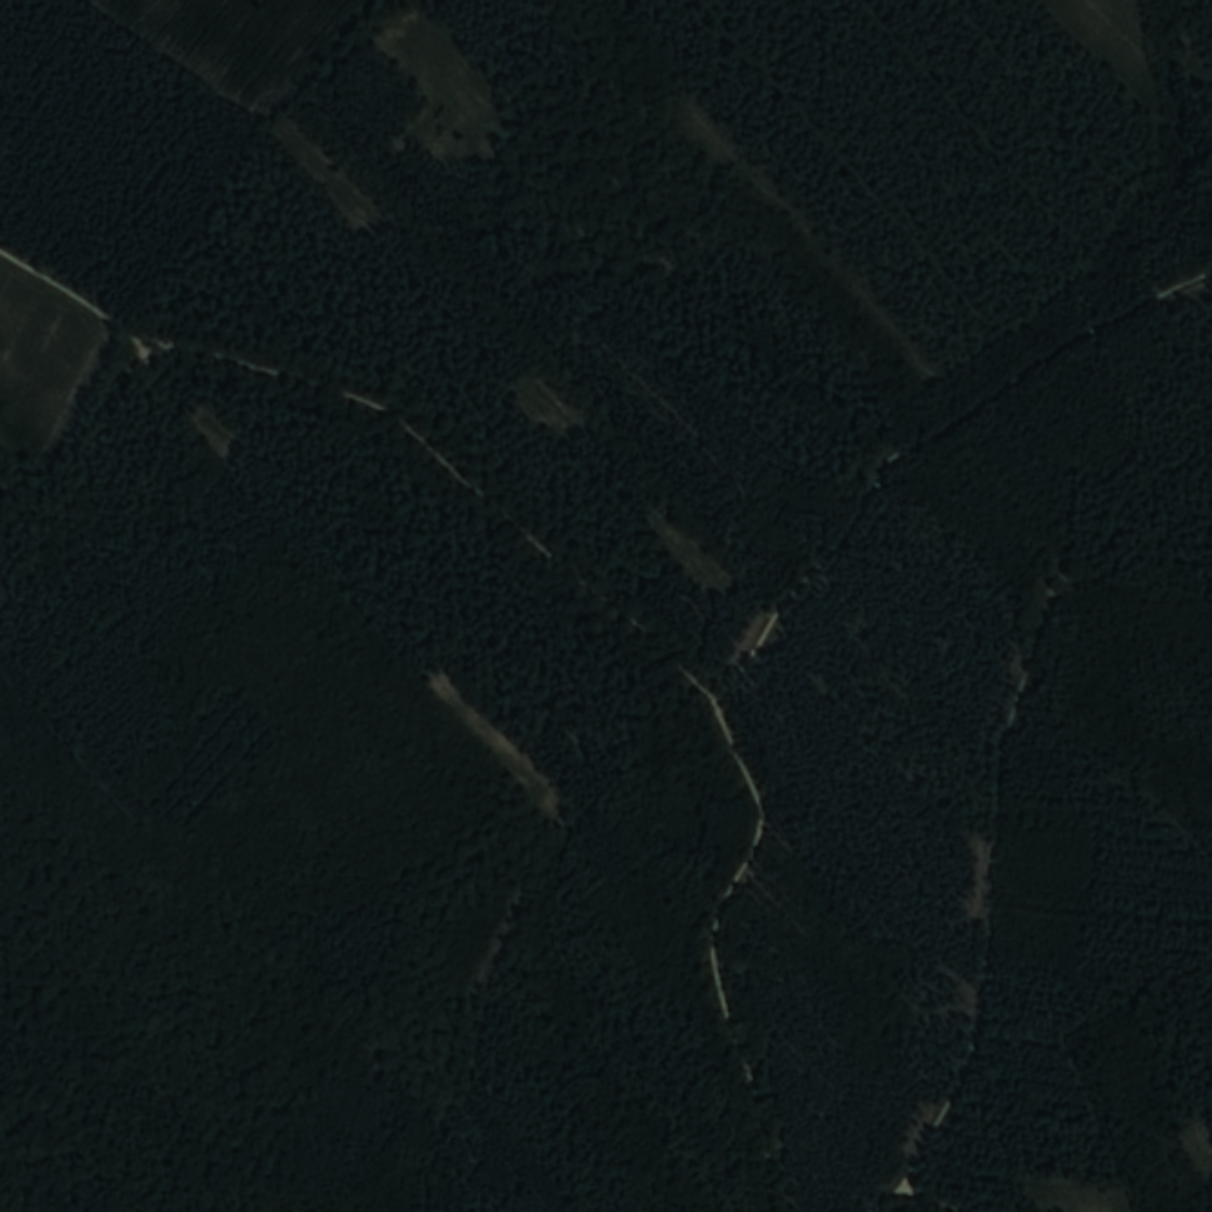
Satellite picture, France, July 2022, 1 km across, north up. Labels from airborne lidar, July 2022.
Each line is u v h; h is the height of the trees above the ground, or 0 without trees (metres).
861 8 27
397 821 16
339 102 14
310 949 15
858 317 12
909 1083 18
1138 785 12
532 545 21
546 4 23
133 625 21
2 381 0
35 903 23
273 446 28
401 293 30
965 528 13
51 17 24
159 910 20
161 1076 21
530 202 28
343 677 12
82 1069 12
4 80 22
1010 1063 19
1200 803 11
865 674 18
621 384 21
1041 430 16
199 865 12
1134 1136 11
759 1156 17
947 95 26
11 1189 24
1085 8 0
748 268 24
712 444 20
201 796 13
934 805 16
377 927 19
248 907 14
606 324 17
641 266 9
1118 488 20
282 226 28
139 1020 21
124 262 24
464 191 21
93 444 22
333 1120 22
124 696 22
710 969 9
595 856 15
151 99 19
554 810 0
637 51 16
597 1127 16
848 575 21
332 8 7
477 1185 15
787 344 22
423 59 0
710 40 28
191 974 22
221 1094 20
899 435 19
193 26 5
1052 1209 0
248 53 6
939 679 18
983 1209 21
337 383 22
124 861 15
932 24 24
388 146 14
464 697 9
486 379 24
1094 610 12
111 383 10
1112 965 20
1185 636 11
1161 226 13
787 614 15
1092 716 8
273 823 15
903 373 21
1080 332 15
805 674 17
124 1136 19
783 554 10
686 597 18
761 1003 20
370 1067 16
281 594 14
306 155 0
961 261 24
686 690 13
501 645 30
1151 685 16
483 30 25
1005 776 14
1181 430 21
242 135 18
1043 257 26
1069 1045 7
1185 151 8
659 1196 15
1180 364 17
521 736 27
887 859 20
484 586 29
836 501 20
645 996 17
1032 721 15
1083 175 29
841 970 12
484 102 0
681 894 14
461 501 21
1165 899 20
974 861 19
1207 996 21
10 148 19
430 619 26
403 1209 20
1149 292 18
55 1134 25
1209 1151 0
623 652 19
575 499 32
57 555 15
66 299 0
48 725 12
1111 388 20
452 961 13
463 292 20
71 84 14
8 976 20
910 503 14
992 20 28
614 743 26
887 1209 15
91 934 18
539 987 18
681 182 19
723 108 22
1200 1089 15
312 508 32
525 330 17
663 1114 18
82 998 16
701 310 26
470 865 20
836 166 32
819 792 19
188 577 26
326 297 11
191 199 17
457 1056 20
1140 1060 5
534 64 25
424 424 22
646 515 24
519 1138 15
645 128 13
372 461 27
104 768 14
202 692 17
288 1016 20
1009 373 16
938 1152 17
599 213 16
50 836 18
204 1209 20
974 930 17
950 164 26
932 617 19
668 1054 15
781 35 27
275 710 10
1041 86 22
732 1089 18
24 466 16
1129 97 25
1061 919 16
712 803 17
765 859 12
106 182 22
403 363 30
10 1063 26
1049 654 12
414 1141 19
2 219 23
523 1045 18
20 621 20
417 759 18
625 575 31
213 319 27
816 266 14
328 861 16
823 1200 16
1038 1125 19
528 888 18
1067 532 15
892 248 22
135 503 24
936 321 18
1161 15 18
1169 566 20
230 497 19
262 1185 22
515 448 29
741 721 11
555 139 11
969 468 15
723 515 21
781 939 12
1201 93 21
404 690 11
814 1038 15
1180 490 22
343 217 18
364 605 21
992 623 16
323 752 11
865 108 28
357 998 20
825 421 25
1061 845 12
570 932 7
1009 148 30
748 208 17
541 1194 16
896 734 18
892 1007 12
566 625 28
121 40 25
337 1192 16
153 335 11
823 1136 15
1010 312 27
